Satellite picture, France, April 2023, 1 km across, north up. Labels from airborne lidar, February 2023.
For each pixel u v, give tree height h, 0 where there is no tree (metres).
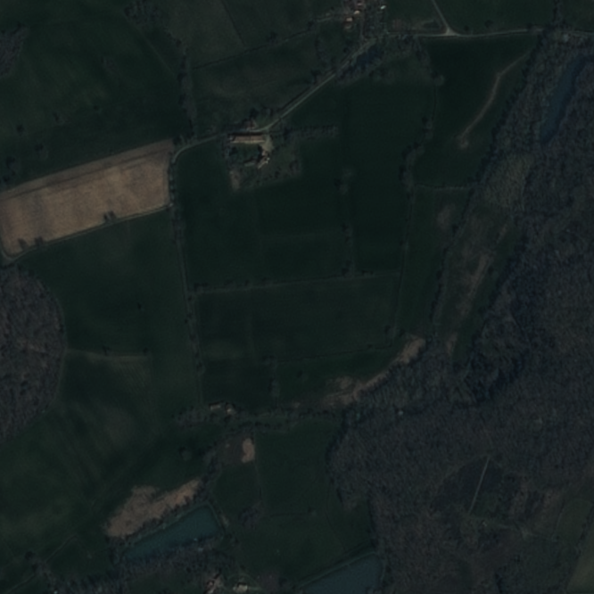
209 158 0
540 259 19
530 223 20
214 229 0
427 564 14
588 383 25
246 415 16
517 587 12
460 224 6
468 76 0
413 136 0
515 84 0
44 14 0
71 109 0
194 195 0
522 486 8
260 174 6
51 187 0
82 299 0
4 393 26
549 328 14
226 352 0
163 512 0
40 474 0
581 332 12
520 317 19
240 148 0
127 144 0
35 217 0
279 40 16
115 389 0
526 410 18
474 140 0
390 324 0
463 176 0
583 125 22
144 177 0
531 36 11
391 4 0
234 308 0
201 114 0
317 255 0
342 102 0
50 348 13
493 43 0
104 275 0
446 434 25
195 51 0
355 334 0
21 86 0
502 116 0
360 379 0
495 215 0
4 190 16
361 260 0
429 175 0
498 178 36
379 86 0
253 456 0
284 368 0
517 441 18
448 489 0
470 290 0
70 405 0
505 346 18
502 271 0
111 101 0
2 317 13
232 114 0
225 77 0
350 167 0
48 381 14
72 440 0
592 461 19
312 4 0
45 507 0
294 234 0
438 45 0
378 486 21
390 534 19
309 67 0
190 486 0
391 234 0
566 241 13
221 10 0
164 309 0
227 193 0
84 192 0
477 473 0
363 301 0
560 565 0
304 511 0
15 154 0
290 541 0
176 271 0
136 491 0
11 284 20
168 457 0
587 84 20
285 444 0
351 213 0
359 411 14
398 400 33
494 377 25
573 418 18
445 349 6
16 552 0
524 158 23
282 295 0
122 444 0
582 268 24
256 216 0
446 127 0
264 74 0
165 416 0
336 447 12
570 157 19
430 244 0
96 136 0
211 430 0
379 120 0
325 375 0
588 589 0
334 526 0
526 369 24
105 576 0
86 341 0
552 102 0
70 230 0
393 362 0
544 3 0
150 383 0
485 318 18
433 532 12
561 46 12
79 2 0
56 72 0
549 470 17
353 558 0
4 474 0
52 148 0
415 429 26
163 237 0
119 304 0
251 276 0
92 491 0
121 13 0
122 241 0
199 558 21
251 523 8
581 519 0
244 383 0
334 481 16
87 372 0
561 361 21
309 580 0
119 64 0
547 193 22
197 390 0
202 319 0
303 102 0
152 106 0
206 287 11
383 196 0
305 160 0
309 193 0
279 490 0
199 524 0
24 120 0
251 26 0
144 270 0
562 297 16
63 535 0
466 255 0
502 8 0
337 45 0
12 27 0
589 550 0
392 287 0
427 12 0
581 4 0
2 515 0
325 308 0
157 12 13
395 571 23
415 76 0
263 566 0
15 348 21
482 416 21
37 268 0
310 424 0
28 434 0
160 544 0
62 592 17
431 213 0
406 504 20
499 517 0
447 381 14
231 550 0
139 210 0
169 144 0
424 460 19
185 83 19
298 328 0
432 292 0
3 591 0
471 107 0
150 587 0
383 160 0
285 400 0
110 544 16
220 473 11
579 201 18
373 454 20
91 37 0
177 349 0
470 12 0
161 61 0
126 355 0
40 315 18
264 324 0
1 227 0
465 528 0
